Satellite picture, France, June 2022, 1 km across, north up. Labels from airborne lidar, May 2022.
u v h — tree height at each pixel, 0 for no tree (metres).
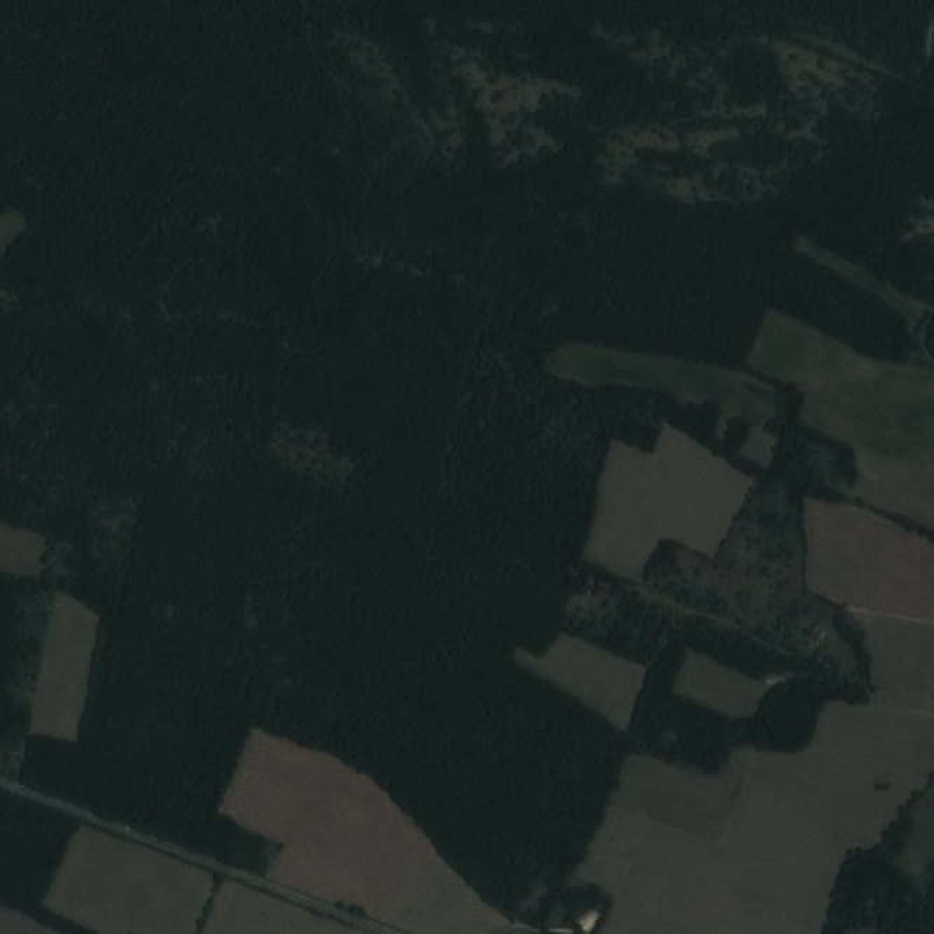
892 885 12
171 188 15
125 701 10
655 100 8
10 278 10
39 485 9
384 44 9
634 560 0
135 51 10
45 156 15
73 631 0
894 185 10
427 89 10
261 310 8
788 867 0
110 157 12
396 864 0
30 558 0
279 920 0
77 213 13
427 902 0
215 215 13
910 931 13
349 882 0
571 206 8
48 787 14
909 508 0
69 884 0
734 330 15
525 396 7
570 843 15
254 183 12
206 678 9
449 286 9
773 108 10
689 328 13
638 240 12
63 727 0
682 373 0
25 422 8
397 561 14
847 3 15
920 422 0
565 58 11
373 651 16
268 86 13
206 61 13
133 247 11
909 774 0
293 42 6
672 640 14
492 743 16
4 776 8
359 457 15
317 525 9
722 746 12
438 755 14
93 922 0
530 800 15
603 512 0
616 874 0
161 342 11
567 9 15
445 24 7
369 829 0
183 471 9
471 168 10
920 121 12
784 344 0
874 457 0
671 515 0
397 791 18
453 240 9
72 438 9
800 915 0
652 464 0
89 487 12
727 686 0
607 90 11
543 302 11
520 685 17
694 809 0
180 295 10
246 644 9
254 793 0
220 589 11
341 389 12
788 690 9
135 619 12
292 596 11
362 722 15
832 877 0
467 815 16
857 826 0
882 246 9
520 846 12
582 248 9
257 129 14
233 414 11
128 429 9
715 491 0
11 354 10
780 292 11
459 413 11
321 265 10
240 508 10
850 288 11
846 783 0
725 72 5
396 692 13
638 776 0
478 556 7
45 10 13
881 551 0
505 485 9
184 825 13
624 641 10
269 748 0
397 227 10
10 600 13
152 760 12
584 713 18
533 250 9
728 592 0
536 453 8
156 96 13
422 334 14
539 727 15
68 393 12
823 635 0
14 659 11
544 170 10
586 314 9
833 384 0
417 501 14
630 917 0
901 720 0
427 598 15
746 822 0
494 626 15
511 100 0
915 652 0
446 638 13
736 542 0
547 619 14
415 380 15
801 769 0
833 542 0
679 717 14
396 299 9
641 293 12
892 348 10
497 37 7
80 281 11
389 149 9
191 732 10
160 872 0
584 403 13
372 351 12
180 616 8
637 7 8
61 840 14
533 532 14
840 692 11
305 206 9
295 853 0
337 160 9
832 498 11
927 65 10
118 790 16
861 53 9
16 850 15
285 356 12
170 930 0
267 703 10
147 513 11
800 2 9
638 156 10
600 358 0
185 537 11
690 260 13
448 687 16
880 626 0
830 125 10
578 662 0
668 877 0
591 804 14
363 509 11
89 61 12
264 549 10
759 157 5
